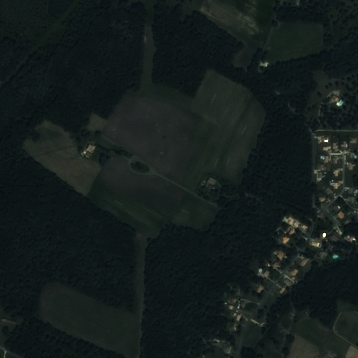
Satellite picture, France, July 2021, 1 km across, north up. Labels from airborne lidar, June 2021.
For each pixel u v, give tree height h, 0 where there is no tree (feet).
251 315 0
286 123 80
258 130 0
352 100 58
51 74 80
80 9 23
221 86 0
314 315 55
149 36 0
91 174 0
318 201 31
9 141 66
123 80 69
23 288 62
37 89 72
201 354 24
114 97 79
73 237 57
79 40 69
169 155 0
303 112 39
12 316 27
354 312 0
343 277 44
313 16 52
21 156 32
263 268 30
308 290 68
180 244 66
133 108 0
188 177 0
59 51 77
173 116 0
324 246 23
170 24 66
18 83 69
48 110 63
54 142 0
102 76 66
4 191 73
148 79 0
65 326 0
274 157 28
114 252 62
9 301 66
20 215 73
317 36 0
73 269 44
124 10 66
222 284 53
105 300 23
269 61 0
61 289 0
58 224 77
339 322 0
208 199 44
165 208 0
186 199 0
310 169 40
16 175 75
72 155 0
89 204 62
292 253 46
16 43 82
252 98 0
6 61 67
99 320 0
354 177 33
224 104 0
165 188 0
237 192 24
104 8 80
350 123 44
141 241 0
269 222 56
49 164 0
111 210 0
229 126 0
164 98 0
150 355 63
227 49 64
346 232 62
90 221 72
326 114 56
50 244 52
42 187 74
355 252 51
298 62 55
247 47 0
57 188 71
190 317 55
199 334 41
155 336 61
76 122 63
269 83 63
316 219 51
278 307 62
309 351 0
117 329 0
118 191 0
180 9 52
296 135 62
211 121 0
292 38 0
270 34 0
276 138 37
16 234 69
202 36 60
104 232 74
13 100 75
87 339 0
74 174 0
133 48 63
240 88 0
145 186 0
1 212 79
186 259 69
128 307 50
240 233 31
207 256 47
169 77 53
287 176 33
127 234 75
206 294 52
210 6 0
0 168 69
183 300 49
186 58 50
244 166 0
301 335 0
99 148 51
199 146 0
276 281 0
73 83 73
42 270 35
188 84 53
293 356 0
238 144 0
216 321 39
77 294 0
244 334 0
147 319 56
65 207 74
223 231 68
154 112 0
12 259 61
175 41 61
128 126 0
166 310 77
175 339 51
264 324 0
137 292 0
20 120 28
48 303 0
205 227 0
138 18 59
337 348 0
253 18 0
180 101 0
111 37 58
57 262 62
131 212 0
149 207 0
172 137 0
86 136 41
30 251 75
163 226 0
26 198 66
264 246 68
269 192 30
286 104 52
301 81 83
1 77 67
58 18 19
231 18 0
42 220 78
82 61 81
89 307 0
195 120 0
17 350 52
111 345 0
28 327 43
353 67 83
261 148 31
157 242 70
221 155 0
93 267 59
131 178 0
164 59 68
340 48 69
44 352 58
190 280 75
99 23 74
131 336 0
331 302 41
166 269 57
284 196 45
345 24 36
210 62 72
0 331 0
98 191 0
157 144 0
